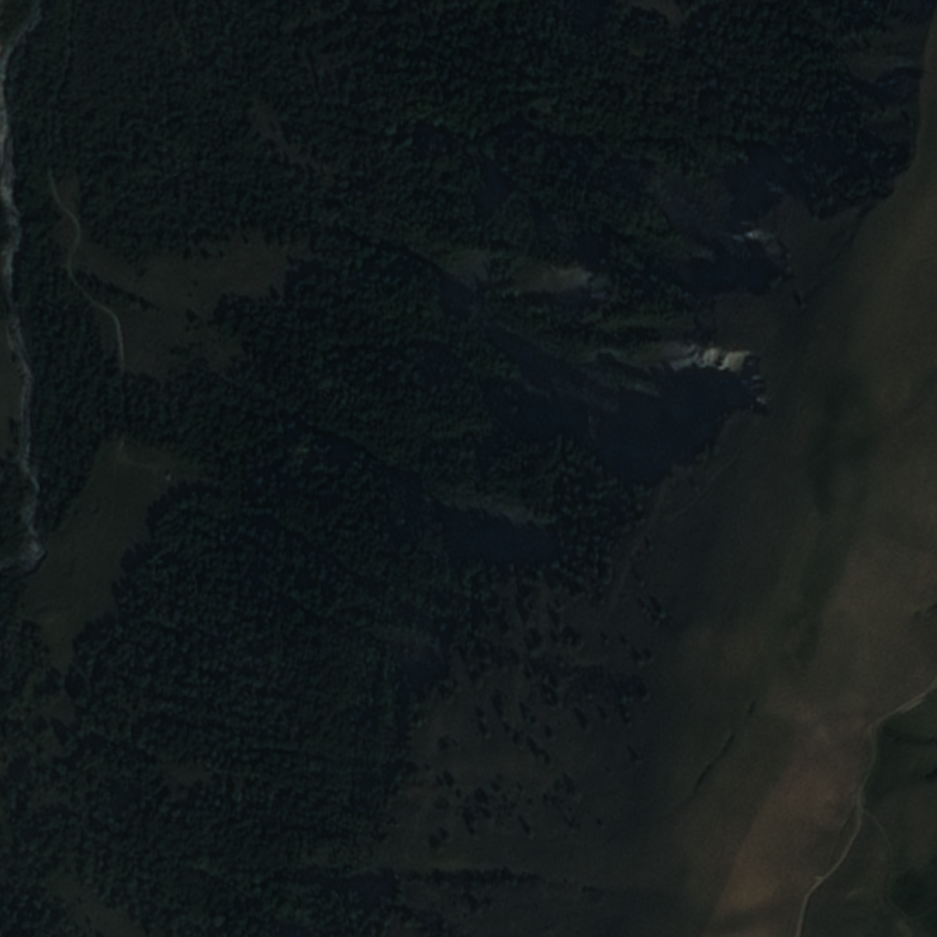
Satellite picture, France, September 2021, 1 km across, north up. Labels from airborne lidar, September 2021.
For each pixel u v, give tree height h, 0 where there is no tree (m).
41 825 6
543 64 13
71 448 14
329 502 13
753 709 0
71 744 13
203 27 10
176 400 8
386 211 13
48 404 12
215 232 18
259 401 6
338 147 14
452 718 0
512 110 13
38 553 0
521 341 0
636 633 0
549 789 0
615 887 0
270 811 7
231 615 11
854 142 9
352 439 7
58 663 0
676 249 0
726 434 0
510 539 0
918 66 0
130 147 8
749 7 10
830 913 0
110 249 11
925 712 0
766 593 0
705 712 0
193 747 16
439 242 14
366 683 6
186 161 8
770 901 0
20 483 12
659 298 8
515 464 11
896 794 0
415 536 7
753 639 0
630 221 6
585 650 0
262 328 9
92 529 0
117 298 14
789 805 0
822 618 0
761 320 0
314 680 16
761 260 0
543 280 0
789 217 0
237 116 12
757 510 0
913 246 0
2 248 11
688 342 0
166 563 8
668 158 9
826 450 0
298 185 15
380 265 15
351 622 9
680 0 7
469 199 11
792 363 0
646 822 0
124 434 14
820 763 0
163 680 14
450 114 16
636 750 0
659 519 0
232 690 14
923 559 0
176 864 12
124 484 0
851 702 0
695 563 0
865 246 0
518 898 0
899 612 0
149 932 9
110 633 12
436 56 10
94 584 0
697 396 0
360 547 11
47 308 11
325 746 13
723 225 0
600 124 8
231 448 9
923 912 0
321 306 17
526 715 9
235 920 16
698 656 0
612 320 9
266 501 13
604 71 11
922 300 0
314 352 22
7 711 17
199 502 13
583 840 0
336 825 6
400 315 10
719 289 0
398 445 11
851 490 0
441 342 6
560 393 0
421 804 0
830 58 7
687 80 10
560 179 8
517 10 9
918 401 0
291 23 12
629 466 0
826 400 0
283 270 0
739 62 11
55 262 11
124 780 8
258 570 13
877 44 0
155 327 0
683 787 0
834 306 0
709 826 0
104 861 10
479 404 7
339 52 13
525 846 0
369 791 11
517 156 10
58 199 0
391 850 0
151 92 12
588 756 0
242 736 8
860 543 0
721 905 0
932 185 0
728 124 9
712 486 0
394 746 8
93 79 7
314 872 6
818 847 0
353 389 14
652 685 0
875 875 0
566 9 7
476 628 9
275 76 13
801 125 13
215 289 0
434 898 0
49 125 10
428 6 19
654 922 0
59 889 0
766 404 0
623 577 0
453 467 8
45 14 11
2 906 7
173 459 11
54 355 14
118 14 10
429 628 0
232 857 8
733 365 0
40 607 0
